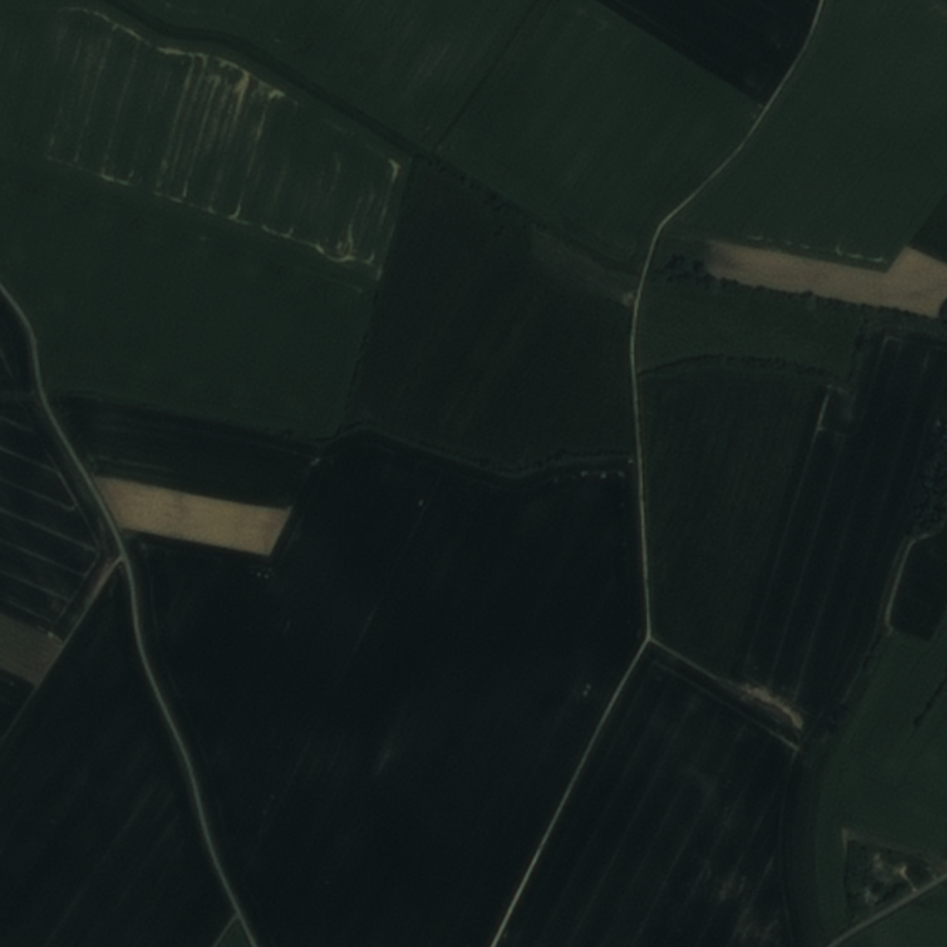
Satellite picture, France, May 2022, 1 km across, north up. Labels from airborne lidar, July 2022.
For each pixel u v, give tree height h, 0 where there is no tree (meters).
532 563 0
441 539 0
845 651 0
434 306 0
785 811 0
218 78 0
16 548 0
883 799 0
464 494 0
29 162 0
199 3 0
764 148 0
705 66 0
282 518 0
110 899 0
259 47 0
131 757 0
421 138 0
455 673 0
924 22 0
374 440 0
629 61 0
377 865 0
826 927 0
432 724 0
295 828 0
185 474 0
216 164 0
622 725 0
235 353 0
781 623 0
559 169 0
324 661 0
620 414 0
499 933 0
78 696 0
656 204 0
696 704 0
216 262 0
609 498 0
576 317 0
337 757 0
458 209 0
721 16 0
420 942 0
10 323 0
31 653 0
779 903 0
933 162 0
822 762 0
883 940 0
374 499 0
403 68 0
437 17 0
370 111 0
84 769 0
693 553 0
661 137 0
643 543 0
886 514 0
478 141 0
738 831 0
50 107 0
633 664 0
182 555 0
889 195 0
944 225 0
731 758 0
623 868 0
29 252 0
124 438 0
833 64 0
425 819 0
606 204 0
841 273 0
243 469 0
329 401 0
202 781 0
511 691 0
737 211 0
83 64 0
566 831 0
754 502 0
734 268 0
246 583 0
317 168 0
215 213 0
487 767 0
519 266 0
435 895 0
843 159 0
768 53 0
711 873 0
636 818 0
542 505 0
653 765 0
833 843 0
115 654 0
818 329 0
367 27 0
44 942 0
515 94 0
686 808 0
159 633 0
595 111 0
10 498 0
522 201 0
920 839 0
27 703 0
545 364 0
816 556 0
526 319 0
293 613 0
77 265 0
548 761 0
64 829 0
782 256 0
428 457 0
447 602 0
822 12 0
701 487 0
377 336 0
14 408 0
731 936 0
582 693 0
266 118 0
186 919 0
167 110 0
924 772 0
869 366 0
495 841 0
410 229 0
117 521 0
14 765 0
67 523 0
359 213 0
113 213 0
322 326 0
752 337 0
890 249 0
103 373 0
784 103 0
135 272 0
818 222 0
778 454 0
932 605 0
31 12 0
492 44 0
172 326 0
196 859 0
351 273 0
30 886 0
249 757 0
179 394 0
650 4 0
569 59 0
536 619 0
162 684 0
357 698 0
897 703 0
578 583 0
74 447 0
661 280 9
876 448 0
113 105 0
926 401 0
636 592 0
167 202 0
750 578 0
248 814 0
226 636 0
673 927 0
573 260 0
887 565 0
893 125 0
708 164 0
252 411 0
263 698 0
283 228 0
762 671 0
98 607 0
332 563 0
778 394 0
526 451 0
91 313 0
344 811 0
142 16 0
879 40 0
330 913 0
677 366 7
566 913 0
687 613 0
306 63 0
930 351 0
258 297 0
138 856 0
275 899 0
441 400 0
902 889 10
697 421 0
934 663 0
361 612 0
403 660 0
